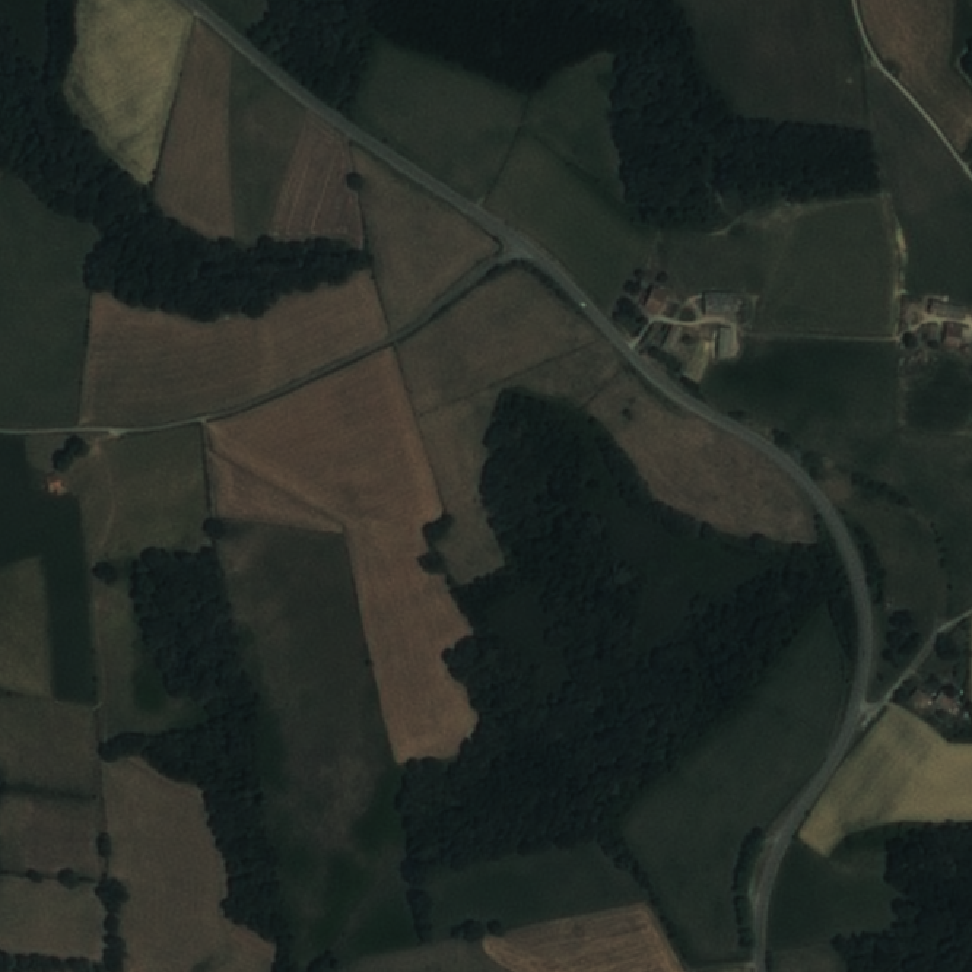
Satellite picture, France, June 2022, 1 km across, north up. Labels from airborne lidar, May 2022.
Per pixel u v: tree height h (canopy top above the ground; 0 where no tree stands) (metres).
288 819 0
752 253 0
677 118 27
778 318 0
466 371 0
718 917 0
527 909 0
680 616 0
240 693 23
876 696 0
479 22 20
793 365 0
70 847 0
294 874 0
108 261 9
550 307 0
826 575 10
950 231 0
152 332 0
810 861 0
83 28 0
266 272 19
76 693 0
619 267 0
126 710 0
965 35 0
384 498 0
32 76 13
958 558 0
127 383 0
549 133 0
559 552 22
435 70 0
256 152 0
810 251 0
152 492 0
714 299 0
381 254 0
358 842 0
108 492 0
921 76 0
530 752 27
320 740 0
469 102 0
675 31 22
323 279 16
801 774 0
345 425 0
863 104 0
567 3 15
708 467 0
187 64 0
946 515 0
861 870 0
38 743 0
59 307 0
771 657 18
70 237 0
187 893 0
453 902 0
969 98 0
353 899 0
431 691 0
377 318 0
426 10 21
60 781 0
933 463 0
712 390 0
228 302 22
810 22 0
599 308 0
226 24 0
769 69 0
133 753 11
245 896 19
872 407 0
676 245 0
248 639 0
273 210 0
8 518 0
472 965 0
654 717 15
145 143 0
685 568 0
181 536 0
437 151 0
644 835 0
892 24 0
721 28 0
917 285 0
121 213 17
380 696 0
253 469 0
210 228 0
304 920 0
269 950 0
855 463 0
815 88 0
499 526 21
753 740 0
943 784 0
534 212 0
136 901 0
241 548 0
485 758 21
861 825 0
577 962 0
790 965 0
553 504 30
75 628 0
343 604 0
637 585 7
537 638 0
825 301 0
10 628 0
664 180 28
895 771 0
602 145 0
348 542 0
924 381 0
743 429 0
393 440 0
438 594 0
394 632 0
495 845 19
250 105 0
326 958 8
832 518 0
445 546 0
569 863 0
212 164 0
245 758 23
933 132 0
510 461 23
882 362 0
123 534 0
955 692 10
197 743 20
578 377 0
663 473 0
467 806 24
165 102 0
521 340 0
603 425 0
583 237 0
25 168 10
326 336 0
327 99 14
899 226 0
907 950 16
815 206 0
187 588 19
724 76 0
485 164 0
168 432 0
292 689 0
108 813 0
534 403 17
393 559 0
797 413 0
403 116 0
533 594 0
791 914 0
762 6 0
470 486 0
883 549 0
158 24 0
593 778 18
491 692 18
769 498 0
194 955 0
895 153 0
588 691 23
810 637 0
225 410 0
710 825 0
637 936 0
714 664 16
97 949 0
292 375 0
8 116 20
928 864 21
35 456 0
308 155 0
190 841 0
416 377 0
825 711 0
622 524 0
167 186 0
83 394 0
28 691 0
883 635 0
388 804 0
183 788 0
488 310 0
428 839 20
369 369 0
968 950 19
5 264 0
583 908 0
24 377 0
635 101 18
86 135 13
